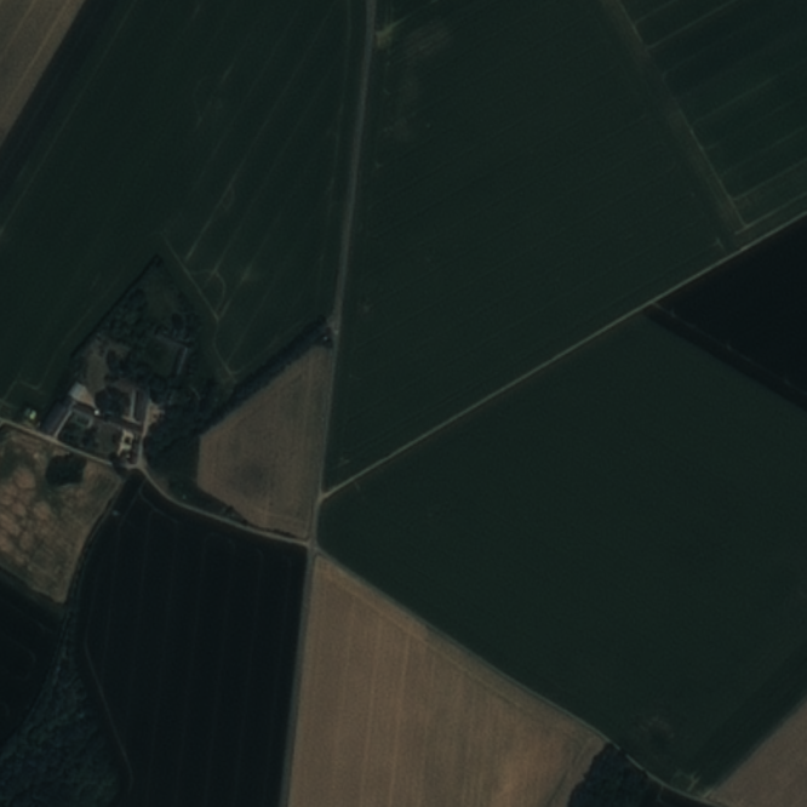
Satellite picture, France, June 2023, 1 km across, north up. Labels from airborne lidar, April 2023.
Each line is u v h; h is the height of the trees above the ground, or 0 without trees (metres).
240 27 0
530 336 0
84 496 0
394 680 0
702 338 0
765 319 0
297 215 0
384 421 0
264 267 0
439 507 0
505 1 0
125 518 0
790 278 0
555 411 0
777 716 0
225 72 0
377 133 0
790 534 0
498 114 0
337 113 0
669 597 0
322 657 0
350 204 0
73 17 0
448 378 0
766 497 0
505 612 0
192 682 0
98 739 18
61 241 0
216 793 0
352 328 0
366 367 0
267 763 0
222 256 0
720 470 0
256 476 0
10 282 0
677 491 0
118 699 0
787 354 0
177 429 14
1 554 0
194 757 0
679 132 0
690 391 0
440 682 0
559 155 0
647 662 0
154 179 0
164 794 0
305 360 0
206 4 0
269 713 0
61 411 0
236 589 0
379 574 0
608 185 0
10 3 0
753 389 0
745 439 0
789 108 0
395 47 0
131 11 0
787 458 0
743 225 0
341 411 0
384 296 0
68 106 0
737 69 0
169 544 0
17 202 0
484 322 0
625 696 0
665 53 0
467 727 0
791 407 0
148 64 0
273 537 0
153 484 0
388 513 0
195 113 0
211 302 0
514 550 0
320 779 0
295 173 0
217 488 0
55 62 0
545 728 0
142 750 0
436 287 0
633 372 0
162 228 0
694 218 0
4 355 0
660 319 0
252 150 0
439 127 0
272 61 0
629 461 0
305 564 0
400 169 0
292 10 0
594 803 17
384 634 0
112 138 0
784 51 0
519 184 0
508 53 0
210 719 0
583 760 0
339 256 0
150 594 0
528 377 0
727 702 0
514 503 0
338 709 0
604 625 0
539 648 0
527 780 0
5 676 0
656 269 0
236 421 0
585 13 0
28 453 0
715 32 0
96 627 0
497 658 0
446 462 0
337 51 0
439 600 0
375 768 0
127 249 0
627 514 0
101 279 0
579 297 0
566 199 0
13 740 10
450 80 0
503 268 0
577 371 0
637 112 0
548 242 0
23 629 0
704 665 0
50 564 0
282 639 0
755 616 0
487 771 0
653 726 0
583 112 0
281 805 0
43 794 24
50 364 0
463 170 0
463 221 0
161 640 0
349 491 0
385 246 0
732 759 0
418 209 0
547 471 0
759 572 0
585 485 0
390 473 0
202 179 0
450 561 0
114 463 9
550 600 0
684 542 0
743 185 0
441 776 0
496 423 0
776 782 0
